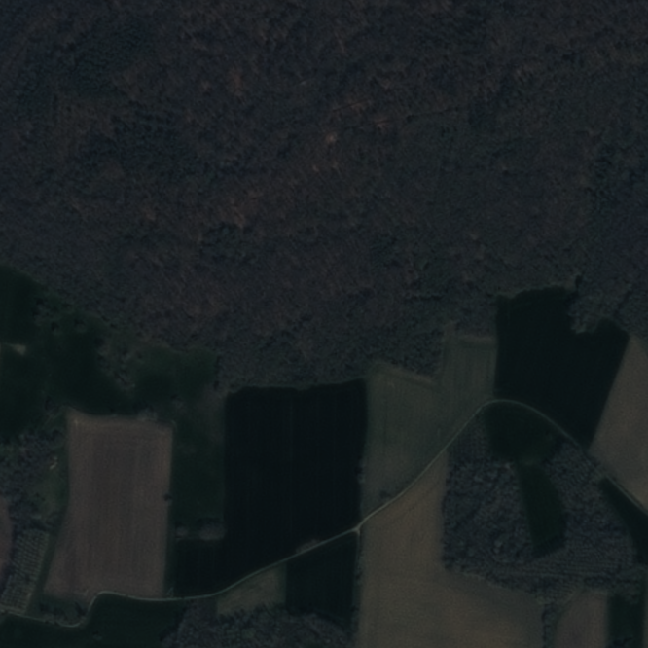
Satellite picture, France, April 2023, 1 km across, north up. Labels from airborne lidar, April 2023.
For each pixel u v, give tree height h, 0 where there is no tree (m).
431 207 24
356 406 0
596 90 19
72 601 0
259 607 0
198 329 21
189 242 21
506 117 18
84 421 0
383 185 13
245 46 25
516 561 28
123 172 14
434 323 24
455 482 13
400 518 0
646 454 0
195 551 0
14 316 0
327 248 21
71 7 17
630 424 0
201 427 0
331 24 14
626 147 27
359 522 0
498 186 24
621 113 26
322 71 20
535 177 24
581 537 28
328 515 0
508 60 11
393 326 24
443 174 21
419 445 0
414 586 0
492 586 24
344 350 23
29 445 14
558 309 0
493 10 25
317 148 19
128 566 0
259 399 0
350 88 19
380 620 0
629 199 29
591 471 29
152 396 0
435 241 25
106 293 27
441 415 0
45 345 0
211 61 18
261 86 13
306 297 27
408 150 16
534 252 27
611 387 0
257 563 0
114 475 0
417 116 17
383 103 18
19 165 22
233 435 0
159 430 0
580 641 0
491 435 0
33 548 26
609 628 0
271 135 13
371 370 20
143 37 17
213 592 0
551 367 0
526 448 0
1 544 0
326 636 22
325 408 0
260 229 21
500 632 0
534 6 18
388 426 0
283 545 0
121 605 0
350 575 0
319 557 0
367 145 19
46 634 0
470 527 19
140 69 13
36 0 19
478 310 31
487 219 24
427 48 15
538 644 0
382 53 19
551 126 18
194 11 11
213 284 28
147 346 0
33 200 22
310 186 17
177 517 0
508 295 20
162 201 17
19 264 20
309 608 0
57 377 0
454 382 0
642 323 20
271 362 24
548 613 8
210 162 6
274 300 27
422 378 17
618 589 27
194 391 0
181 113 17
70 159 8
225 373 23
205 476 0
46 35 8
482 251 26
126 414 0
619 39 19
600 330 0
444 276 24
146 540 0
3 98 19
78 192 15
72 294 21
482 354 0
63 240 21
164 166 16
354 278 25
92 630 0
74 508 0
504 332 0
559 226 25
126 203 7
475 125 20
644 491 0
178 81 18
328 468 0
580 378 0
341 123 21
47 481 0
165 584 0
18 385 0
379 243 22
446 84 20
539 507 0
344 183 19
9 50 22
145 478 0
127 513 0
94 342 0
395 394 0
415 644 0
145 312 22
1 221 25
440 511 0
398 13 14
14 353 0
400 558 0
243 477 0
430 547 0
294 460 0
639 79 20
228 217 18
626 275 26
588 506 22
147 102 9
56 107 12
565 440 0
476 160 18
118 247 22
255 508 0
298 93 20
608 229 30
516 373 0
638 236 27
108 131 12
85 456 0
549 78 9
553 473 18
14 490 15
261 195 19
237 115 17
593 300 27
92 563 0
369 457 0
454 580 0
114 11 19
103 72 17
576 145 23
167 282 26
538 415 0
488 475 15
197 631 23
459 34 18
